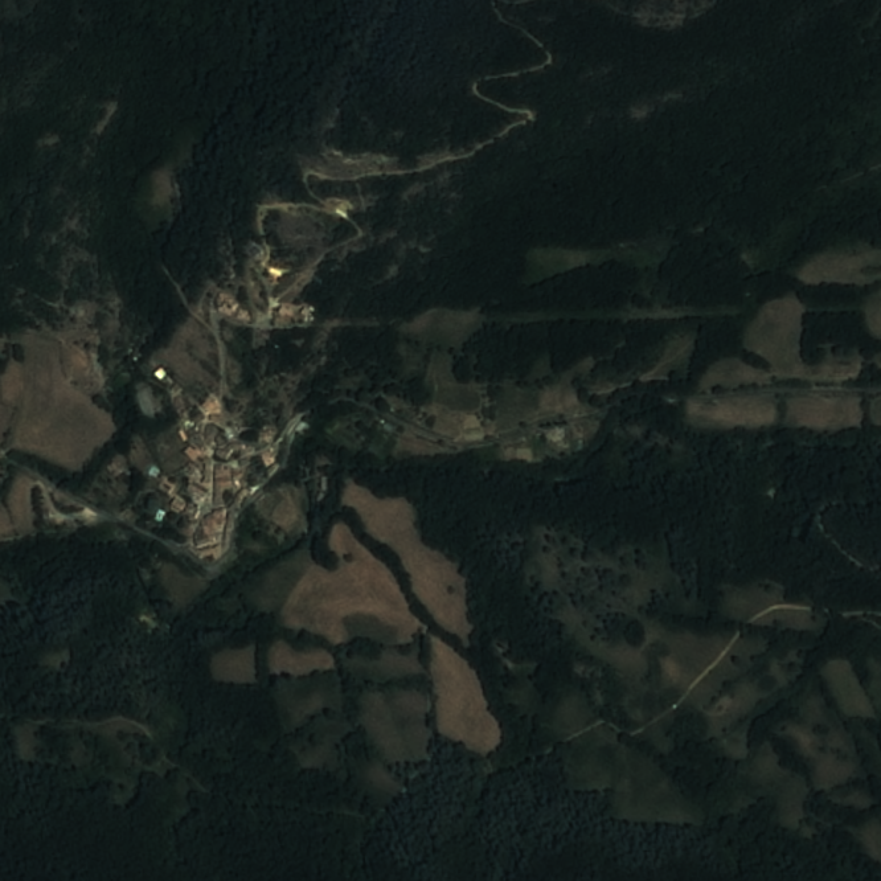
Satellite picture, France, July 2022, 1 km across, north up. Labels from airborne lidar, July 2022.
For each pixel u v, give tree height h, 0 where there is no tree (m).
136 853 21
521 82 9
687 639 0
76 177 9
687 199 15
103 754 7
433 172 6
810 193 8
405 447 0
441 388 0
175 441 0
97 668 10
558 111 13
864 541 12
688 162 21
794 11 5
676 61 9
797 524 11
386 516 0
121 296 7
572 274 15
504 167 8
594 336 18
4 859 20
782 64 12
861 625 8
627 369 10
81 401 0
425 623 12
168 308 8
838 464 17
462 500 16
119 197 16
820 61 16
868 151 8
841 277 0
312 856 22
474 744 0
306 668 0
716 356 18
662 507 11
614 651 0
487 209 16
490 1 10
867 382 12
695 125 18
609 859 17
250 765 16
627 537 13
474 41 11
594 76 7
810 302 17
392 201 8
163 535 15
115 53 20
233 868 21
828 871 17
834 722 0
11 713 8
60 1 15
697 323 20
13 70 9
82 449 0
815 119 15
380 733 0
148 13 8
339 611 0
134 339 7
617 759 0
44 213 8
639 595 0
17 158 15
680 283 9
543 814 24
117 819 20
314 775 15
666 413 17
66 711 18
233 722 17
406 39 17
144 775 16
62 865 18
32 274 9
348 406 7
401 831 17
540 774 13
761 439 18
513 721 10
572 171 16
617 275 22
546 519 14
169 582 0
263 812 21
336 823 9
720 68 11
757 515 15
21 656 21
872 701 6
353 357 12
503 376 11
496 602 13
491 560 10
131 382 6
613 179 15
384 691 10
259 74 20
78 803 17
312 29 16
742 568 10
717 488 13
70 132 9
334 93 7
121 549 11
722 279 19
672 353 0
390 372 11
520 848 19
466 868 25
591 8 9
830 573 21
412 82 12
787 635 12
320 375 9
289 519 0
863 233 15
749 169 14
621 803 0
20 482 0
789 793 0
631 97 12
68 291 10
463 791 12
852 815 15
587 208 16
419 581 0
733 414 0
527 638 13
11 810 9
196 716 19
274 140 13
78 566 16
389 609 0
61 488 15
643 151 16
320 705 0
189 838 20
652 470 18
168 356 0
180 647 18
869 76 7
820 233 12
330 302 8
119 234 15
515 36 12
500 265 23
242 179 14
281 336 12
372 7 13
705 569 14
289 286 0
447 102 10
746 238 6
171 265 11
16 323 12
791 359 0
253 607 9
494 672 20
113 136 16
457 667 0
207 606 13
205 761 14
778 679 0
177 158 0
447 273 17
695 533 15
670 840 21
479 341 8
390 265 9
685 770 12
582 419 0
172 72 23
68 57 10
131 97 15
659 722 0
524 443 0
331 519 9
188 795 11
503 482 23
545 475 12
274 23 20
